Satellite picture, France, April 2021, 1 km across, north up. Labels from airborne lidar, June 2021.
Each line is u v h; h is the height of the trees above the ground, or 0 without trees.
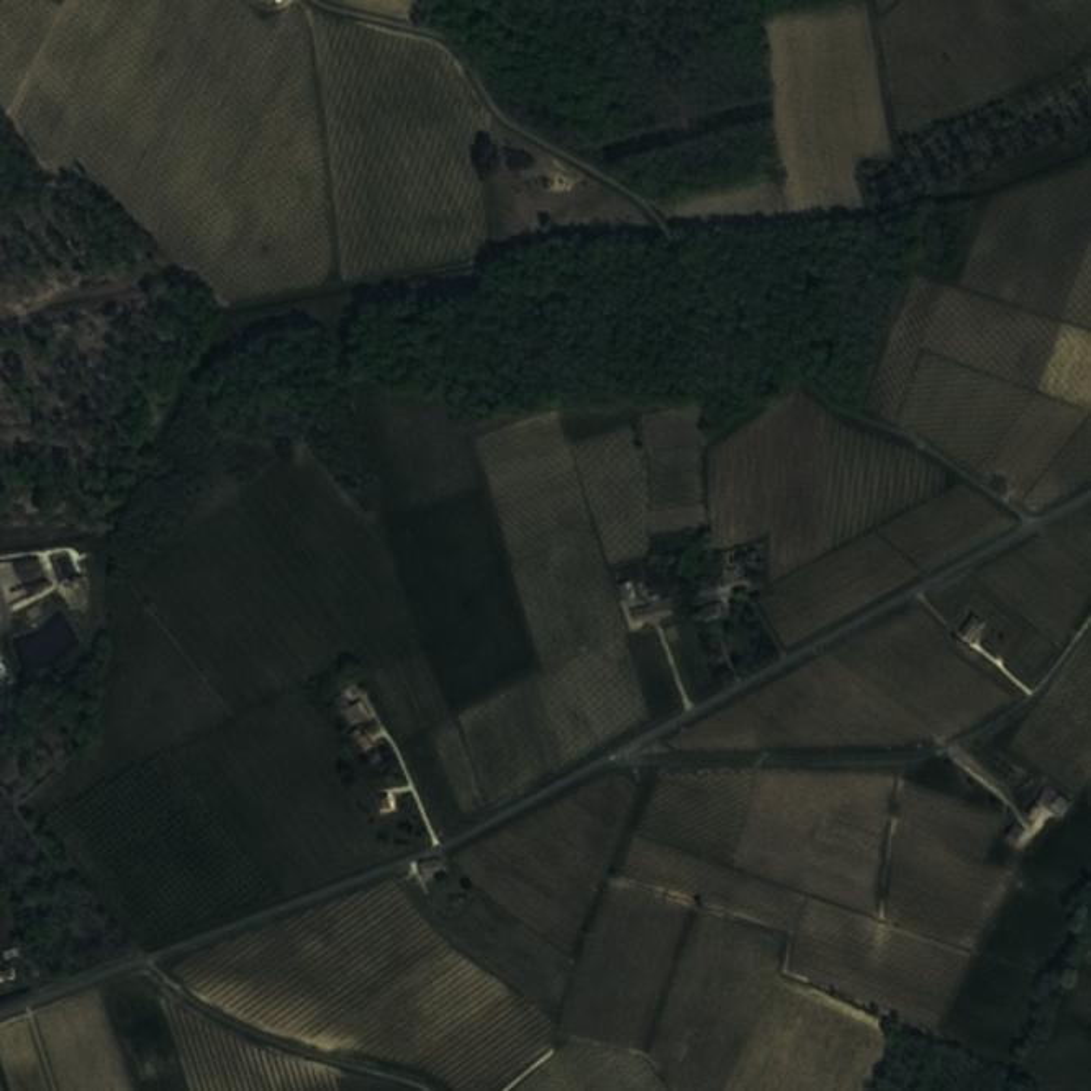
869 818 0
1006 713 0
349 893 0
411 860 0
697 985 0
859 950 0
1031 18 0
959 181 12
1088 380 0
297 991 0
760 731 0
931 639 0
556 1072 0
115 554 8
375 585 0
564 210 0
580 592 0
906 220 23
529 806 0
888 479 0
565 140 19
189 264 0
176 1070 0
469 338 27
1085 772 0
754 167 21
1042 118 7
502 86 17
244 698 0
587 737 0
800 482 0
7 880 20
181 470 8
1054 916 0
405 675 0
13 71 0
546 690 0
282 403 20
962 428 0
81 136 0
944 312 0
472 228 0
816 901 0
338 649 0
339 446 16
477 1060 0
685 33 22
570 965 0
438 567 0
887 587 0
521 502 0
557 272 24
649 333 24
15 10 0
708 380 25
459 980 0
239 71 0
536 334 27
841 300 22
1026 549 0
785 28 0
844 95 0
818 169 0
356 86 0
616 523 0
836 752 0
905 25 0
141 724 0
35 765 18
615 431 0
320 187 0
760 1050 0
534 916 0
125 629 0
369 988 0
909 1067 20
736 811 0
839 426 0
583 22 22
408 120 0
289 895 0
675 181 23
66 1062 0
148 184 0
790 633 0
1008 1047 0
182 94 0
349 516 0
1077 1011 0
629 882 0
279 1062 0
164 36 0
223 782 0
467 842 0
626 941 0
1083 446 0
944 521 0
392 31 0
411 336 28
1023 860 0
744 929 0
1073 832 0
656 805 0
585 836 0
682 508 0
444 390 16
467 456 0
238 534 0
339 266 0
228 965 0
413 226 0
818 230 18
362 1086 0
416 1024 0
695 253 25
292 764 0
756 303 21
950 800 0
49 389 20
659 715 0
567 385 22
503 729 0
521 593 0
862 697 0
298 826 0
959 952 0
